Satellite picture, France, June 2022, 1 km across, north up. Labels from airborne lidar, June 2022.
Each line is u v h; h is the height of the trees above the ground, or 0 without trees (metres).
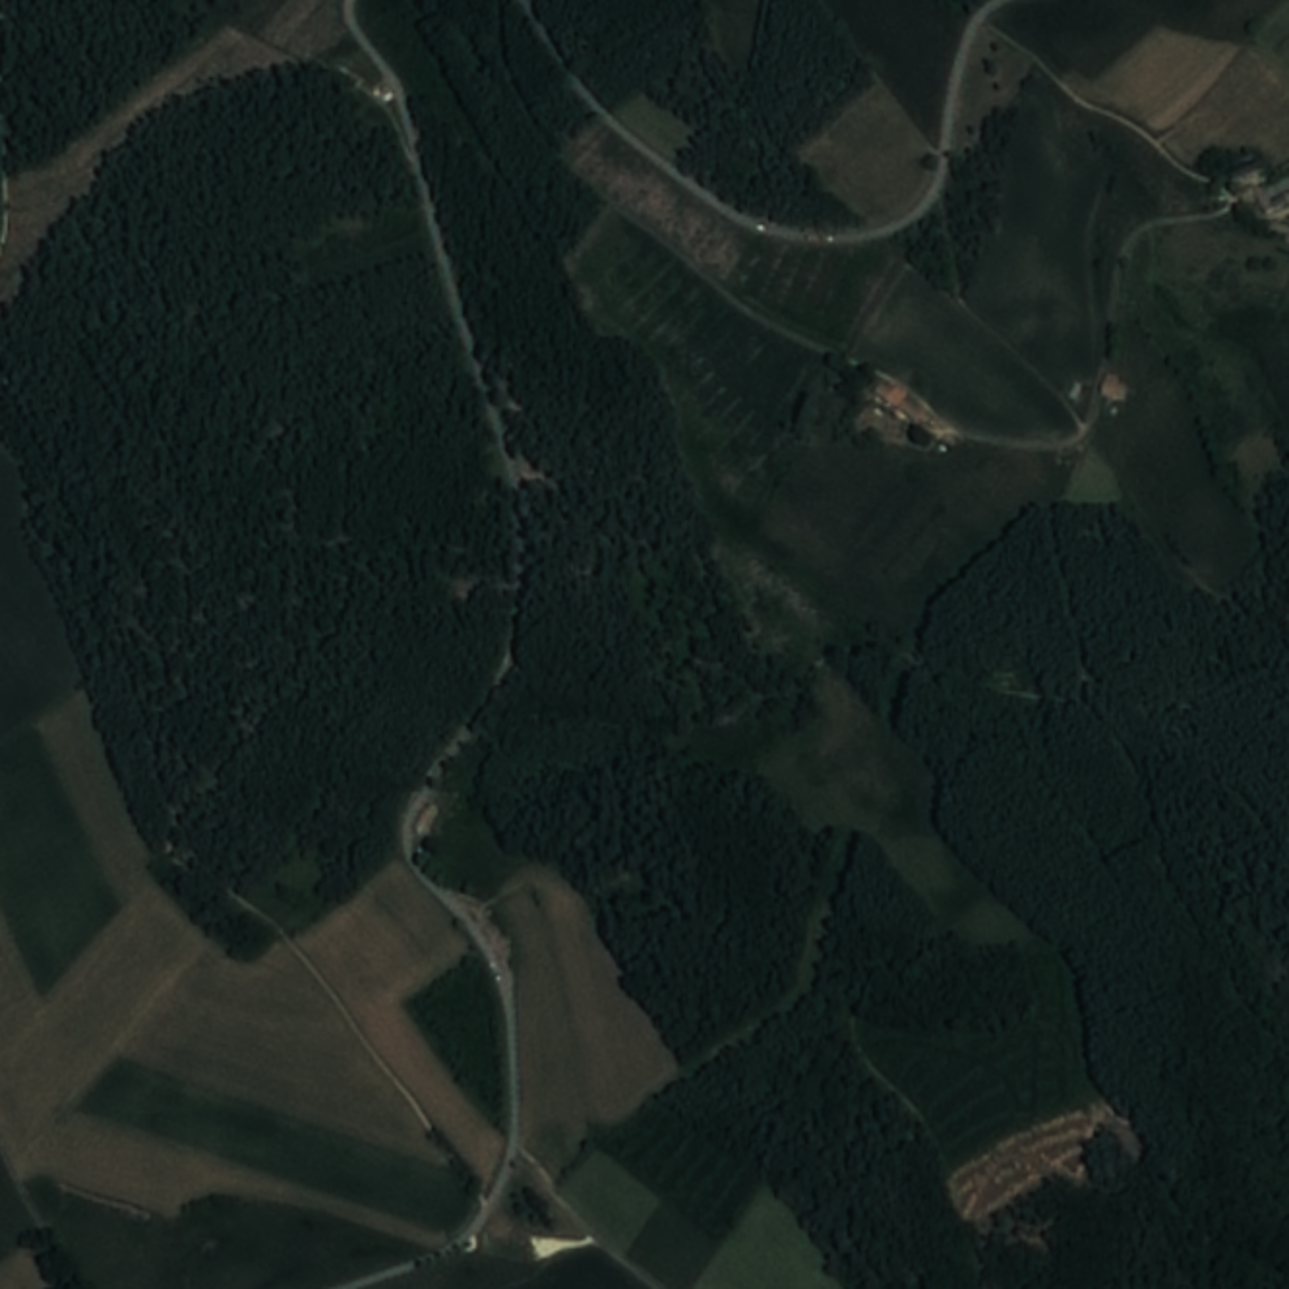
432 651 21
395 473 10
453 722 18
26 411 21
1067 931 25
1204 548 0
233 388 20
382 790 20
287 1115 0
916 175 0
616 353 25
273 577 17
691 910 29
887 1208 22
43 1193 0
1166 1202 16
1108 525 19
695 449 0
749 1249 0
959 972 18
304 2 0
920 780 0
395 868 0
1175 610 20
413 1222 0
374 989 0
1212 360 0
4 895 0
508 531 23
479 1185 11
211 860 14
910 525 0
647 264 0
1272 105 0
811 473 0
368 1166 0
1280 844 19
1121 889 23
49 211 0
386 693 20
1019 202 0
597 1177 0
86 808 0
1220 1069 18
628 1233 0
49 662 0
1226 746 27
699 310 0
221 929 12
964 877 0
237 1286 0
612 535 32
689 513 21
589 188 20
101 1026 0
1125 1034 25
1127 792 23
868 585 0
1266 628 20
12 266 0
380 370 9
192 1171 0
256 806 15
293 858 7
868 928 26
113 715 18
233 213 17
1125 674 25
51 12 22
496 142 23
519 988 0
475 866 0
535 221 20
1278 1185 16
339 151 27
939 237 13
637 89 15
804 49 19
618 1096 0
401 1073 0
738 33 0
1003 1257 16
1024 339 0
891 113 0
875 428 7
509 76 23
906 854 0
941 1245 21
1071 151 0
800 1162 23
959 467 0
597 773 15
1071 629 24
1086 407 0
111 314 20
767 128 15
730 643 16
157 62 22
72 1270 23
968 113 0
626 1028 0
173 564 10
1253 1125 16
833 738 0
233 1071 0
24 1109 0
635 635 26
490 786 20
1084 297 0
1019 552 20
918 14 0
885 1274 25
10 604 0
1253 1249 17
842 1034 17
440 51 20
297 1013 0
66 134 13
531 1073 0
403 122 0
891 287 0
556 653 24
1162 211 0
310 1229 0
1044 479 0
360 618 14
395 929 0
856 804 0
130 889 0
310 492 14
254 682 16
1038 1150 0
